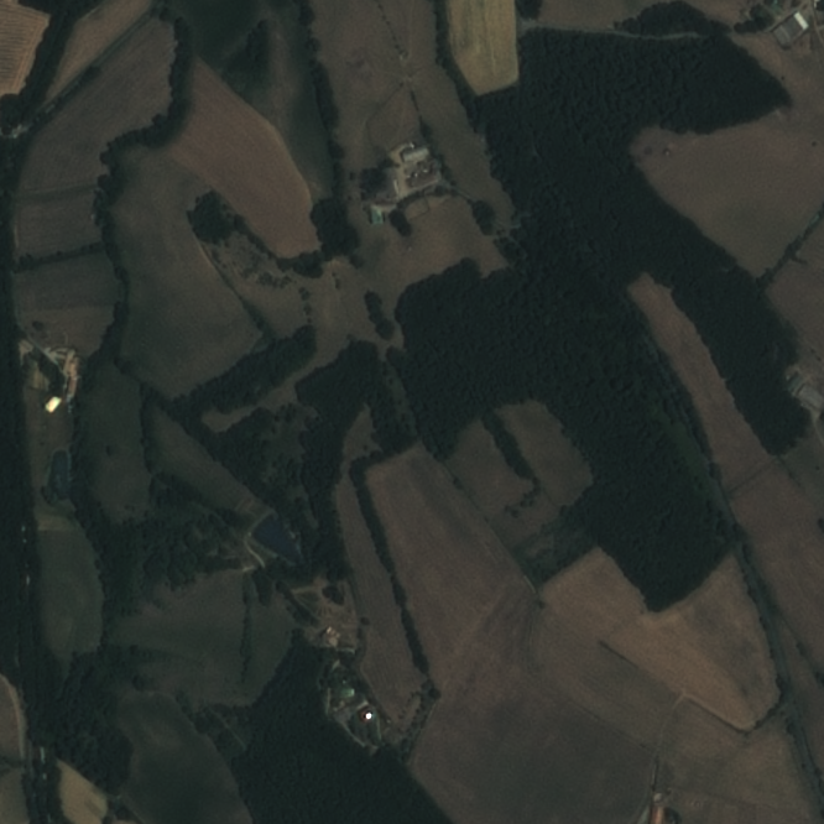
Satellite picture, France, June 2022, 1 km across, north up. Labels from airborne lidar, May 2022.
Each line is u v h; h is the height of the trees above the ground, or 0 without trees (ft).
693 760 0
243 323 0
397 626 0
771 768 0
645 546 65
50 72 44
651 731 0
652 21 56
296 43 0
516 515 28
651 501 58
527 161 64
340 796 58
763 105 54
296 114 0
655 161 0
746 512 0
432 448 55
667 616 0
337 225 61
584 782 0
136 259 0
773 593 0
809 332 0
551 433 0
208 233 50
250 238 23
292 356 58
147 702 0
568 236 58
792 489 0
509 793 0
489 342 47
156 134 64
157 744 0
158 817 0
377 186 59
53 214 0
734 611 0
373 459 37
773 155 0
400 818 49
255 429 61
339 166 31
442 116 0
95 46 0
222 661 0
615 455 52
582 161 61
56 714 54
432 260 0
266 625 0
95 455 0
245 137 0
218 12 0
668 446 43
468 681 0
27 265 45
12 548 46
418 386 66
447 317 48
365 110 0
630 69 65
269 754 48
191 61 36
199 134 0
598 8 0
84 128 0
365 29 0
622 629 0
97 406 0
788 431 51
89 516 49
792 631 0
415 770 0
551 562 0
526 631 0
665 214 60
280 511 59
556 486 0
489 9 0
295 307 0
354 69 0
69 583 0
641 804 0
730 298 53
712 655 0
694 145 0
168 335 0
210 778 0
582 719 0
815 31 0
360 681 20
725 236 0
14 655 50
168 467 0
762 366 47
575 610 0
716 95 61
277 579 35
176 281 0
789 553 0
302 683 69
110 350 52
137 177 0
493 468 0
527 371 56
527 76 56
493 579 0
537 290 60
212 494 0
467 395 44
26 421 41
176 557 44
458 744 0
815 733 0
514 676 0
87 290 0
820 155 0
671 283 42
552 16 0
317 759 63
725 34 37
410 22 0
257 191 0
